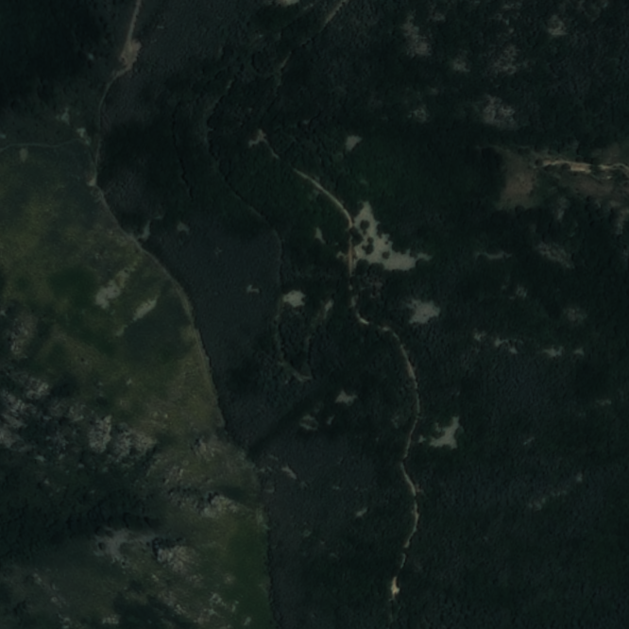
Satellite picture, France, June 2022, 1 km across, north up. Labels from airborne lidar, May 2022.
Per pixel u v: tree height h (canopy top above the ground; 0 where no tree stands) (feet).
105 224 0
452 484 36
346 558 66
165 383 0
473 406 59
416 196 41
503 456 56
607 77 48
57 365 0
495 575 55
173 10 52
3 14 45
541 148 42
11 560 23
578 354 25
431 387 53
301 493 50
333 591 52
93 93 0
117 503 35
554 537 66
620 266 68
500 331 29
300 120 89
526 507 61
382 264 39
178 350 0
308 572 42
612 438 33
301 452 48
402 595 57
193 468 0
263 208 60
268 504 23
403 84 32
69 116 0
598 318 51
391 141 60
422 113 19
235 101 69
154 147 59
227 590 0
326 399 45
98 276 0
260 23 73
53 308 0
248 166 64
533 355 34
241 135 66
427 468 66
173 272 27
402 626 64
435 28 52
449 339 36
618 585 55
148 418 0
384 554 47
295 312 23
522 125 28
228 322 53
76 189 0
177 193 59
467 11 52
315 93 51
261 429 46
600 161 31
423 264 60
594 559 48
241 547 0
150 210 43
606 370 47
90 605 0
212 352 51
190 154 102
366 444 49
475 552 59
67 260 0
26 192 0
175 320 0
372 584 45
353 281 40
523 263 56
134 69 30
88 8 43
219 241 50
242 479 0
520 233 55
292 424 39
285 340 74
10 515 29
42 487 49
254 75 60
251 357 53
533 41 78
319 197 40
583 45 55
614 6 38
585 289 53
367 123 87
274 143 56
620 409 38
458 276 36
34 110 25
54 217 0
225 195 60
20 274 0
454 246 52
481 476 45
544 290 40
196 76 39
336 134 63
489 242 37
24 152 0
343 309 63
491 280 66
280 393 85
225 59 58
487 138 64
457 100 40
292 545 52
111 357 0
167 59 57
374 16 44
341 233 55
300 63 53
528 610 60
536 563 94
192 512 0
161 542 25
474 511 67
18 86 45
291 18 72
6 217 0
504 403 59
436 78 61
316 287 63
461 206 71
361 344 33
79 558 0
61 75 37
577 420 43
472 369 31
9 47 36
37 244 0
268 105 55
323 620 53
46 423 23
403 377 42
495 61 39
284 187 54
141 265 0
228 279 53
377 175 42
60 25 67
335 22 47
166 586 0
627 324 50
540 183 0
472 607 90
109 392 0
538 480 57
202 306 44
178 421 0
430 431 40
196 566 0
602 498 68
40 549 25
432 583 44
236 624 0
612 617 82
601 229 83
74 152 0
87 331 0
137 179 41
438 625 55
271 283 45
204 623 0
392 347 55
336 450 59
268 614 0
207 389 0
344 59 54
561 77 39
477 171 50
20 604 24
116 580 0
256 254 49
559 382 53
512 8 29
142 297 0
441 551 49
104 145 30
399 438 23
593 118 34
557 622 88
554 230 56
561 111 49
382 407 44
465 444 36
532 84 52
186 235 45
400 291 65
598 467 46
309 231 52
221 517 0
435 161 62
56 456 21
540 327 40
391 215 57
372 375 42
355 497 50
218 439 0
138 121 49
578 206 37
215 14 48
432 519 42
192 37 50
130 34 0
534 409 59
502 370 50
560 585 75
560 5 26
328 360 64
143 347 0
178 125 84
